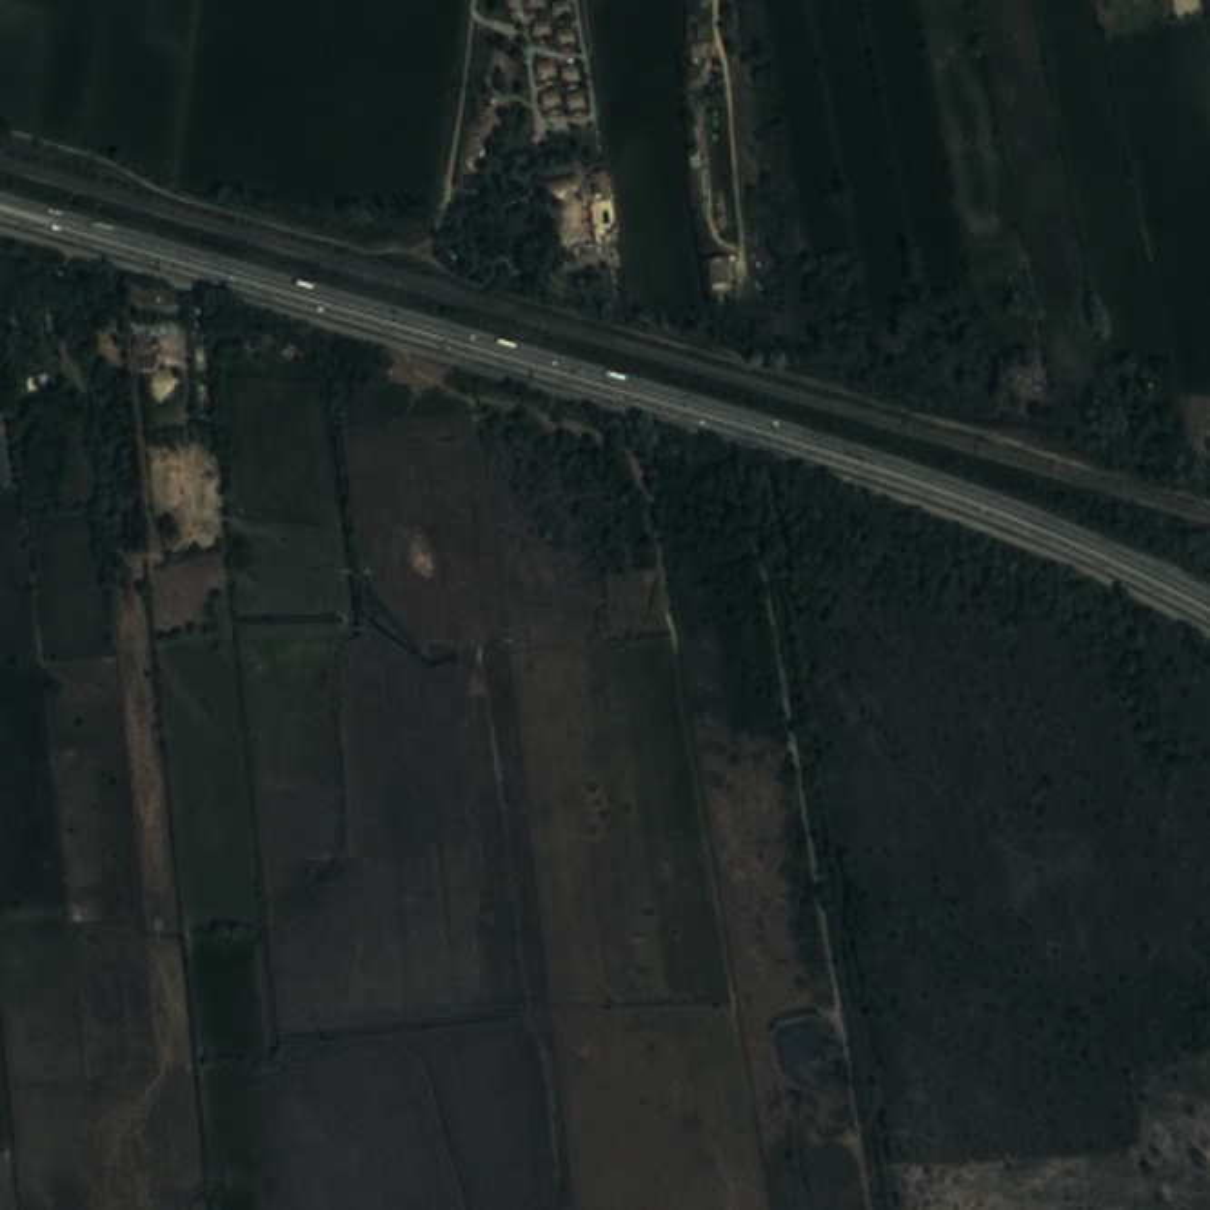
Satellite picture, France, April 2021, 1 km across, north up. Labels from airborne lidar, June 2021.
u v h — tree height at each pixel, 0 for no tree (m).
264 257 6
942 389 6
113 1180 0
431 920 0
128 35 0
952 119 0
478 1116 0
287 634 0
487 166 12
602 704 0
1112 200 0
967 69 0
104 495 7
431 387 0
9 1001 0
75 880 0
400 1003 0
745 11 6
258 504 0
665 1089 0
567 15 10
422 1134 0
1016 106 0
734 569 11
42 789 0
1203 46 0
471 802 0
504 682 0
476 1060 0
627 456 14
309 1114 0
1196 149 0
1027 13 0
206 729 0
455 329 0
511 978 0
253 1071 0
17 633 0
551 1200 0
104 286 12
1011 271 0
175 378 10
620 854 0
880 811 0
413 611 0
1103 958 0
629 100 0
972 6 7
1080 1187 0
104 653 0
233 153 0
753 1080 0
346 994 0
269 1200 0
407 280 0
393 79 0
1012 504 0
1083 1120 0
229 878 0
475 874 0
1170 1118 0
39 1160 0
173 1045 0
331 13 0
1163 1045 0
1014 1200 0
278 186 0
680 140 0
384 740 0
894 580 11
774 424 0
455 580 0
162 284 10
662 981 0
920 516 8
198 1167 0
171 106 0
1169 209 0
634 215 0
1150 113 0
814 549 19
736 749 0
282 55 0
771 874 0
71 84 0
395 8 0
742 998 0
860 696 0
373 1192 0
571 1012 0
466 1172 0
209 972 0
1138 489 0
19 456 10
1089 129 0
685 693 0
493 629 0
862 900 6
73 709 0
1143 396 18
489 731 0
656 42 0
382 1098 0
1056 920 0
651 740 0
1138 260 0
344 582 0
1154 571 0
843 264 7
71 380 7
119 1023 0
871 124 0
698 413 0
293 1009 0
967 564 14
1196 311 0
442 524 0
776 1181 0
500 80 14
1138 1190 0
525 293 15
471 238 16
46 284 16
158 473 0
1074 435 11
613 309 10
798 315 0
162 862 0
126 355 9
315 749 0
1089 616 11
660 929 0
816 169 0
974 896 0
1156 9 0
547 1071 0
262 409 0
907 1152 8
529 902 0
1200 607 0
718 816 0
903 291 0
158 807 0
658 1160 0
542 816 0
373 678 0
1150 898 0
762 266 0
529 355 0
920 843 0
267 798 0
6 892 0
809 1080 0
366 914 0
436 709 0
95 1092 0
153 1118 0
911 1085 0
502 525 0
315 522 0
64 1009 0
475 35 0
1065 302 0
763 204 7
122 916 0
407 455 0
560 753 0
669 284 0
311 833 0
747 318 0
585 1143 0
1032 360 17
